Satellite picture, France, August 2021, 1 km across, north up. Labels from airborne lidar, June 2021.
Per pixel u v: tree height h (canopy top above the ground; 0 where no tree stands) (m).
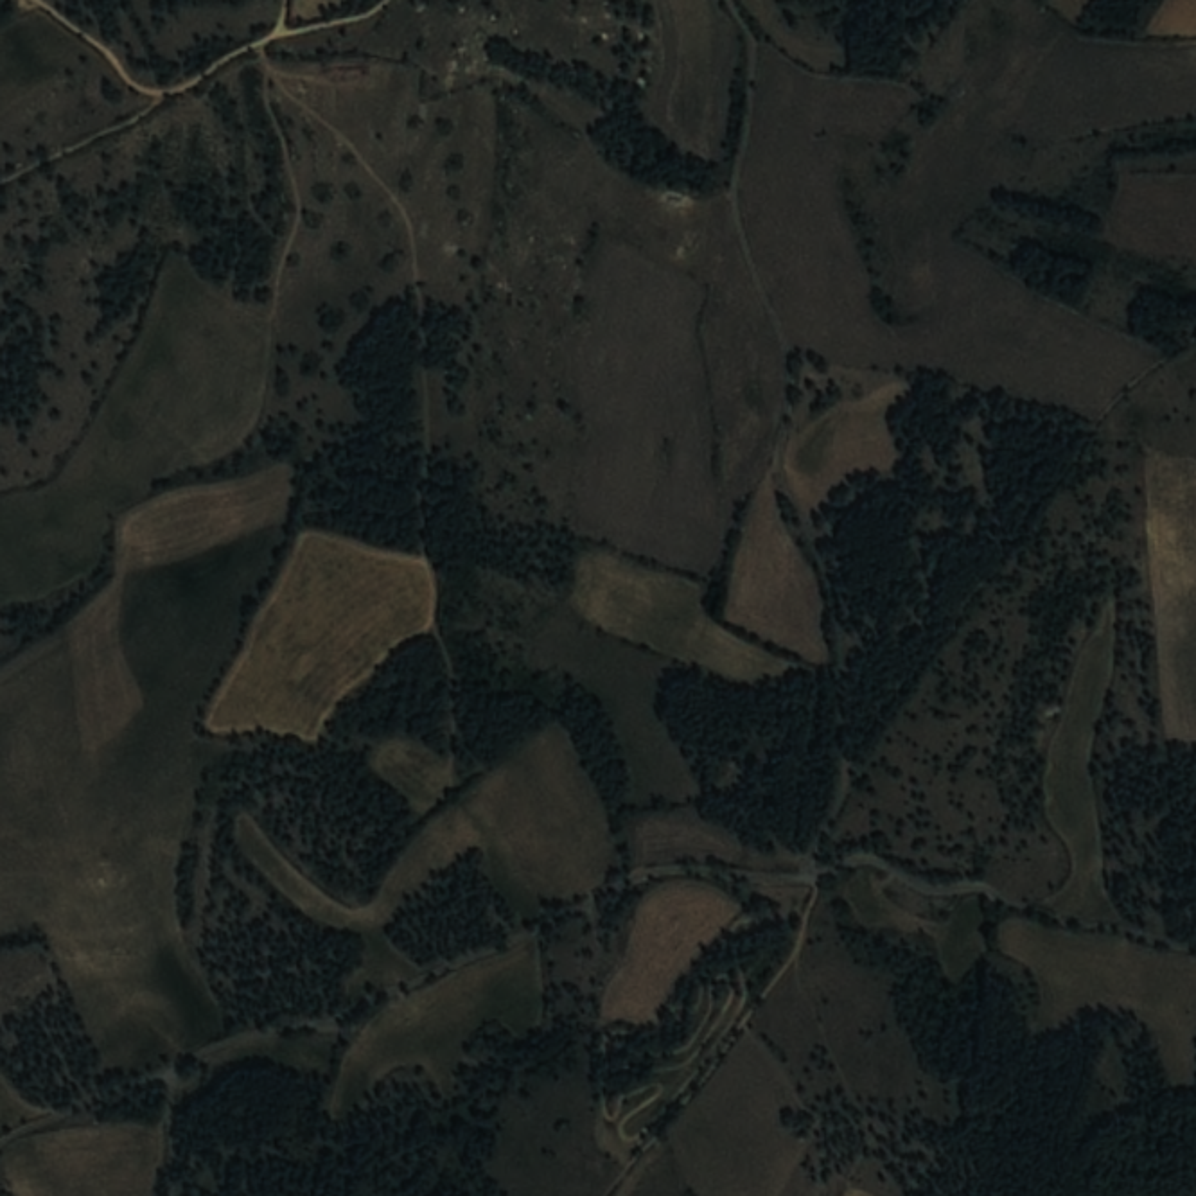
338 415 0
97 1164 0
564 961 0
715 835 0
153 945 0
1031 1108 19
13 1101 0
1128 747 11
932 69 0
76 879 0
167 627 0
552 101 0
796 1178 0
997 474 10
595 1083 10
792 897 0
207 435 0
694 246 0
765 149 0
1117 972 0
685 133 0
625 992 0
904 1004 7
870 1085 0
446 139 0
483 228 0
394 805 11
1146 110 0
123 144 0
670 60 0
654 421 0
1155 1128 14
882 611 17
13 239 9
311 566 0
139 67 12
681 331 0
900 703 10
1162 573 0
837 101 0
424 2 7
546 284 0
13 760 0
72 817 0
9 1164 0
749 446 0
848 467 0
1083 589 10
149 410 0
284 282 0
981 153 0
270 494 0
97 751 0
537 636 0
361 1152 11
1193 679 0
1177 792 14
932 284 0
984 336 0
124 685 0
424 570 0
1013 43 0
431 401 0
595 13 0
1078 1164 18
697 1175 0
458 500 14
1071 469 13
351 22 0
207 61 14
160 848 0
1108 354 0
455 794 9
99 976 0
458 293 0
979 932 0
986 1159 19
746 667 0
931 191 0
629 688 0
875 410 0
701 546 0
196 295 0
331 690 0
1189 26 0
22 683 0
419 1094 13
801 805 14
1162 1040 0
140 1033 0
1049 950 0
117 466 0
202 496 0
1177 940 11
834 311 0
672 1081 0
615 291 0
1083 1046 15
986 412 11
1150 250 0
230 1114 15
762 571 0
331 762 12
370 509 12
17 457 0
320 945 15
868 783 9
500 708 15
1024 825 7
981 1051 16
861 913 0
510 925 8
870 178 0
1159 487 0
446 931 10
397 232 0
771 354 0
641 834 0
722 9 7
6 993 0
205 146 0
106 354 0
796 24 17
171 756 0
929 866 8
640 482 0
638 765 0
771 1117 0
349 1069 0
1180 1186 14
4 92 0
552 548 11
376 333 14
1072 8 0
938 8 16
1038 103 0
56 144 0
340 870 8
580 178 0
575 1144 0
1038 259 12
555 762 0
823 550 15
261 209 9
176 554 0
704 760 13
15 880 0
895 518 17
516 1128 0
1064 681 7
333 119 0
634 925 0
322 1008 13
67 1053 12
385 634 0
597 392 0
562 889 0
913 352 0
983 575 13
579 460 0
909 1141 12
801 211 0
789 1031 0
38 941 11
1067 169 0
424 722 17
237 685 0
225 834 7
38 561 0
